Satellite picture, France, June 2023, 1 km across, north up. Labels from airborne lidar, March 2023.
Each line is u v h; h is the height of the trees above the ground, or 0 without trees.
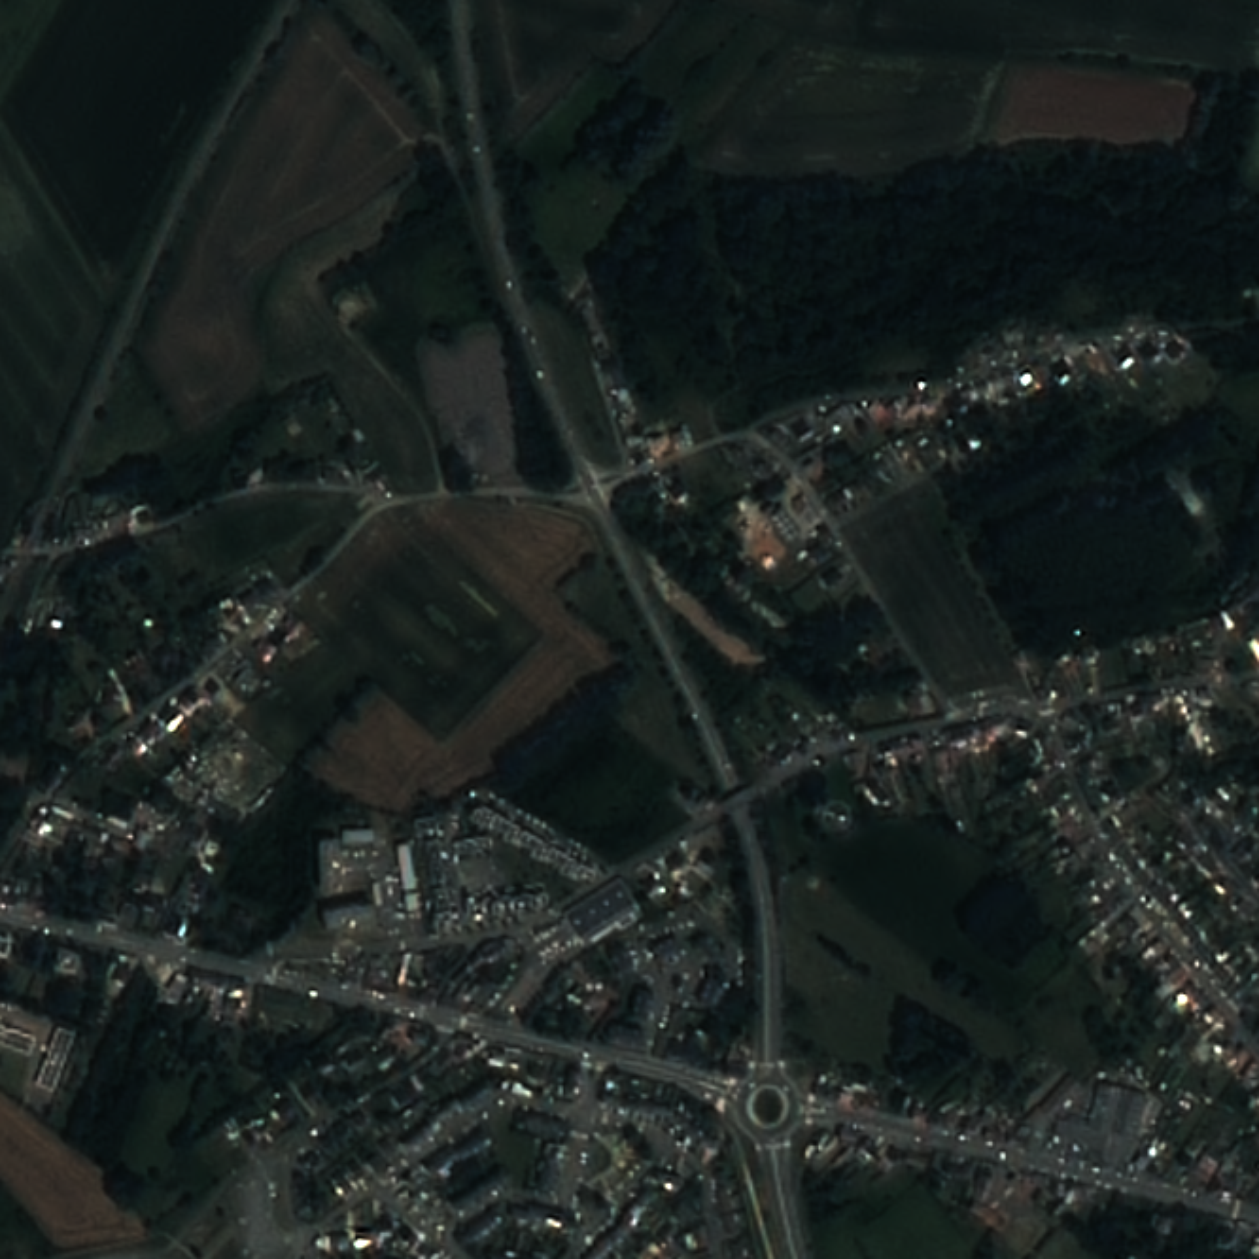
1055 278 7
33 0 0
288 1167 0
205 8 0
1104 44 0
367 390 0
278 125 0
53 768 0
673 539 13
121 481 18
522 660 0
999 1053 0
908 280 19
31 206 0
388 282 0
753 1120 0
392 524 0
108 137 0
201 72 0
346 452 11
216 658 0
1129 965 7
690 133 0
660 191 20
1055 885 0
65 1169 0
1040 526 33
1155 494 29
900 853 0
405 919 0
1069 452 30
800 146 0
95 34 0
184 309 0
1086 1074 0
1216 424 9
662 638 0
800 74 0
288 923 16
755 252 27
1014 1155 0
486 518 0
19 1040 0
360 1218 0
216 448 0
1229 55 0
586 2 0
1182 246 23
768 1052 0
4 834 7
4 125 0
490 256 0
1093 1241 15
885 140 0
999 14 0
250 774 0
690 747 0
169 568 0
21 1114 0
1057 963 0
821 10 0
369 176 0
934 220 26
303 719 0
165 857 0
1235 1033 0
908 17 0
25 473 0
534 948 0
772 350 11
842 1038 0
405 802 0
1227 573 20
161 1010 14
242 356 0
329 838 0
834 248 25
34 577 0
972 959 0
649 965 0
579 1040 0
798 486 0
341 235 0
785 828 0
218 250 0
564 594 0
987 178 23
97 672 7
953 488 11
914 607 0
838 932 0
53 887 13
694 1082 0
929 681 0
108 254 0
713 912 0
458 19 0
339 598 0
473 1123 0
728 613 21
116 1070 8
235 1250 0
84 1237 0
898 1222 0
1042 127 0
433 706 0
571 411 0
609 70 6
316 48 0
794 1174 0
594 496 0
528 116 0
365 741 0
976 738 0
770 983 0
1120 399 0
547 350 0
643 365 11
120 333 0
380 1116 8
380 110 0
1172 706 0
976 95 0
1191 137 11
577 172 0
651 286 23
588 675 0
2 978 16
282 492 0
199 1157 0
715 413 0
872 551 0
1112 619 13
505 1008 0
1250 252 24
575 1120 0
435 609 0
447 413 0
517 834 0
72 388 0
